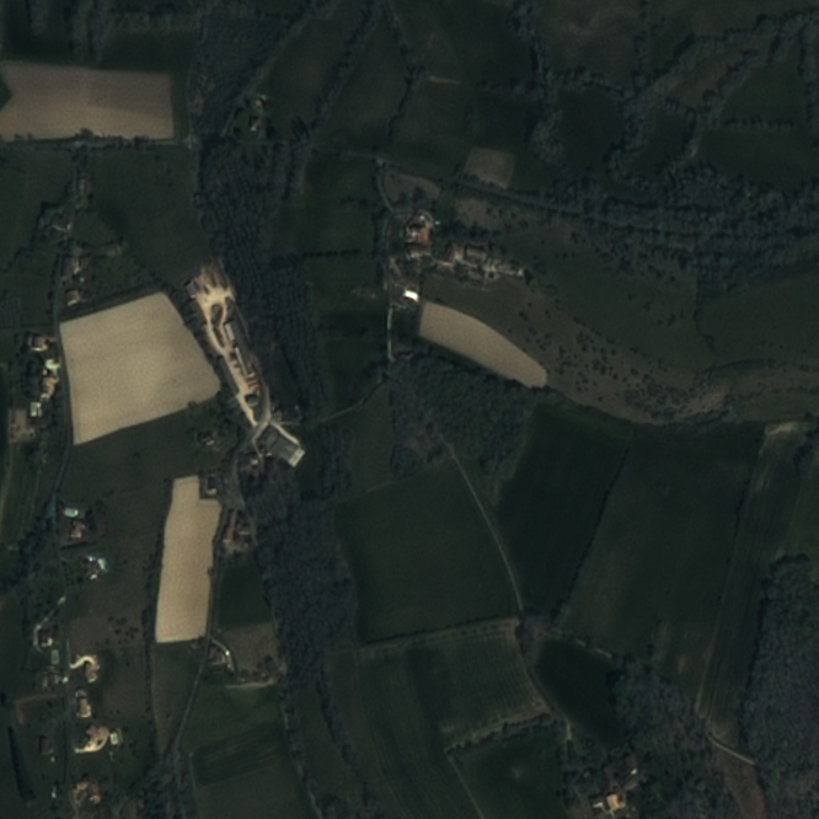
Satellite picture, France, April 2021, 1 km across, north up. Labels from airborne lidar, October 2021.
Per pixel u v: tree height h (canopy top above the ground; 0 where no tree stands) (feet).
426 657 0
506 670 0
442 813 0
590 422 0
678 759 48
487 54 0
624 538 0
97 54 47
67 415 0
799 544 0
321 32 0
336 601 52
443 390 77
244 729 0
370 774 0
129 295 30
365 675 0
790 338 0
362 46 50
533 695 0
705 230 82
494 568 0
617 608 0
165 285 28
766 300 0
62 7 0
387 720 0
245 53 29
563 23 0
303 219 0
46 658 0
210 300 0
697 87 0
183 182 0
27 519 0
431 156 0
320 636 73
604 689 0
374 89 0
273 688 0
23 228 0
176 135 0
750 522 0
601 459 0
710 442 0
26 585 34
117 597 0
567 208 47
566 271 0
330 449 34
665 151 0
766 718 71
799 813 36
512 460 45
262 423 0
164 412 0
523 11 53
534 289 53
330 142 0
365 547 0
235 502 0
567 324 0
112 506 0
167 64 0
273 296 107
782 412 0
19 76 0
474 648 0
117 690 0
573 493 0
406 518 0
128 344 0
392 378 57
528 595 0
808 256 50
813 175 0
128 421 0
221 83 25
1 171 39
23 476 0
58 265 23
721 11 0
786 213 61
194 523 0
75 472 0
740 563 0
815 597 66
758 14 0
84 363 0
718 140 0
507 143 0
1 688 0
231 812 0
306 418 75
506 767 0
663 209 74
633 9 0
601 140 0
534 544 0
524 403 50
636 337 0
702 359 0
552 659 0
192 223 0
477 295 0
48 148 0
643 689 80
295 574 67
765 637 59
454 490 0
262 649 0
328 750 0
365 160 0
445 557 0
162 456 0
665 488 31
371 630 0
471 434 67
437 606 0
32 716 0
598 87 20
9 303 35
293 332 117
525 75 0
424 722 0
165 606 0
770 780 70
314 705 0
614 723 0
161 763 44
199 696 0
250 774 0
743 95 0
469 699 0
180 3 0
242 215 106
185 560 0
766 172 0
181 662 0
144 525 0
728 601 0
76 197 29
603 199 47
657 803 20
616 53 0
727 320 0
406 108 24
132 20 70
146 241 0
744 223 74
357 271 0
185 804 37
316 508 77
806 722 84
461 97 0
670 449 0
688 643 0
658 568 0
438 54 0
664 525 0
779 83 0
